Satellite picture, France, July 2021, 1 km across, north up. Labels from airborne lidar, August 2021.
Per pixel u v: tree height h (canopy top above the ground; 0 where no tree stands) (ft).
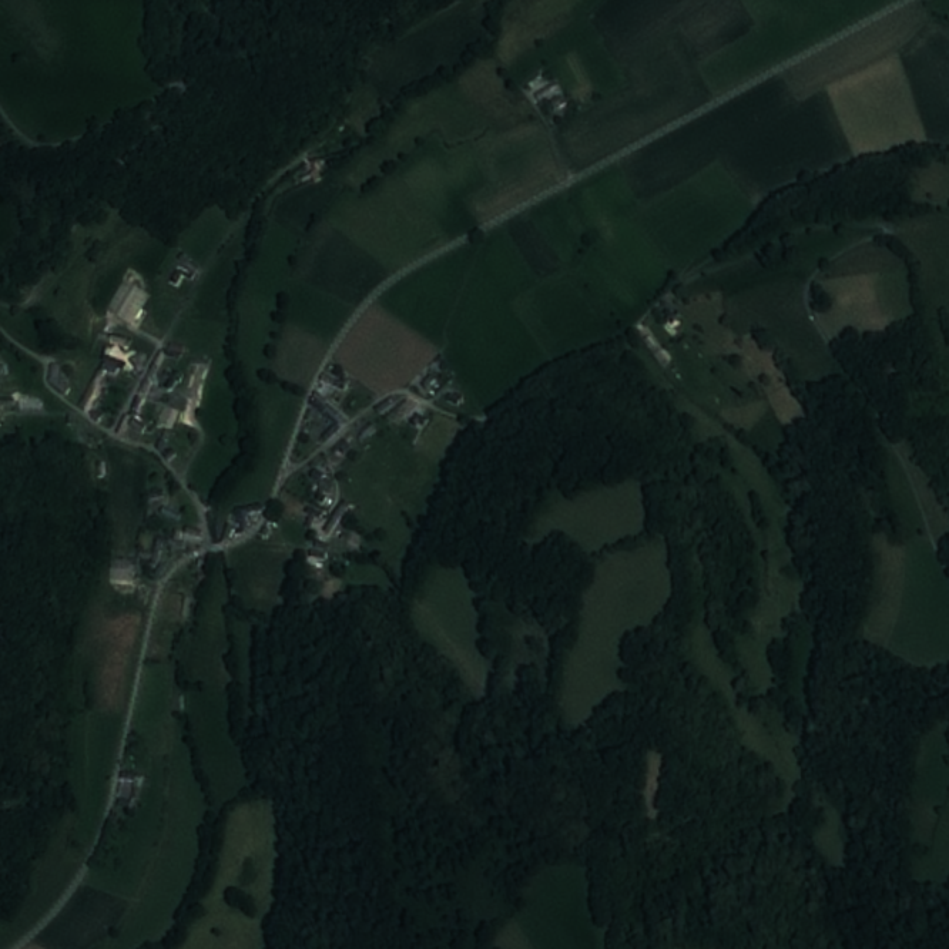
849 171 59
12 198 37
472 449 74
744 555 24
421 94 52
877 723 69
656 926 107
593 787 79
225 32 92
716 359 0
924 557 0
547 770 96
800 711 71
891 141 0
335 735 78
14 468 58
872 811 57
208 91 69
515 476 74
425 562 59
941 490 53
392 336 0
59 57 0
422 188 0
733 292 0
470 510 98
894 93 0
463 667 0
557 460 69
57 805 75
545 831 65
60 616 89
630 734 50
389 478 0
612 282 0
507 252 0
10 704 79
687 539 44
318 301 0
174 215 74
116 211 55
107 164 73
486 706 46
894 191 62
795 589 0
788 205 75
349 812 79
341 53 94
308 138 53
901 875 81
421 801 69
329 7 78
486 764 56
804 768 46
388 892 73
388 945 68
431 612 0
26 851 75
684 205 0
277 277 0
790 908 78
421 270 0
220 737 0
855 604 77
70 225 46
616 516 0
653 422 58
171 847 0
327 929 78
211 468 0
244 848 0
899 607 0
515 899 41
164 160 89
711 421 0
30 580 72
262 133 61
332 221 0
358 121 0
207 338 0
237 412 48
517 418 74
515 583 69
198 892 57
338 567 23
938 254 0
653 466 53
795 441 70
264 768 77
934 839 0
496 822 65
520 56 0
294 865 66
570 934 0
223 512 0
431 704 78
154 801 0
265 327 0
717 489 74
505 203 0
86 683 22
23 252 41
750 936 40
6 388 0
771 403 0
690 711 65
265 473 0
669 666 78
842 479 52
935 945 38
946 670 28
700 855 75
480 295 0
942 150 65
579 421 60
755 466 0
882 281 0
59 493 58
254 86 64
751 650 0
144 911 0
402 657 64
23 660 84
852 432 82
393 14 93
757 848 67
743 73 0
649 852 70
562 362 49
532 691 75
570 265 0
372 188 33
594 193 0
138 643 0
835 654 63
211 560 46
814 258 0
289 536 0
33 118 0
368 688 71
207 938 0
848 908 74
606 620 0
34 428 0
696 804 73
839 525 61
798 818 70
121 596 0
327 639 67
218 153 72
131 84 0
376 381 0
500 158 0
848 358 64
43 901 0
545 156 0
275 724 79
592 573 47
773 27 0
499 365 0
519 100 0
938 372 60
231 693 52
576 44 0
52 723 72
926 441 58
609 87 0
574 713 0
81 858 0
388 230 0
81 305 0
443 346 0
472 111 0
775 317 0
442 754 68
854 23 0
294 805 68
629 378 69
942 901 55
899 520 22
